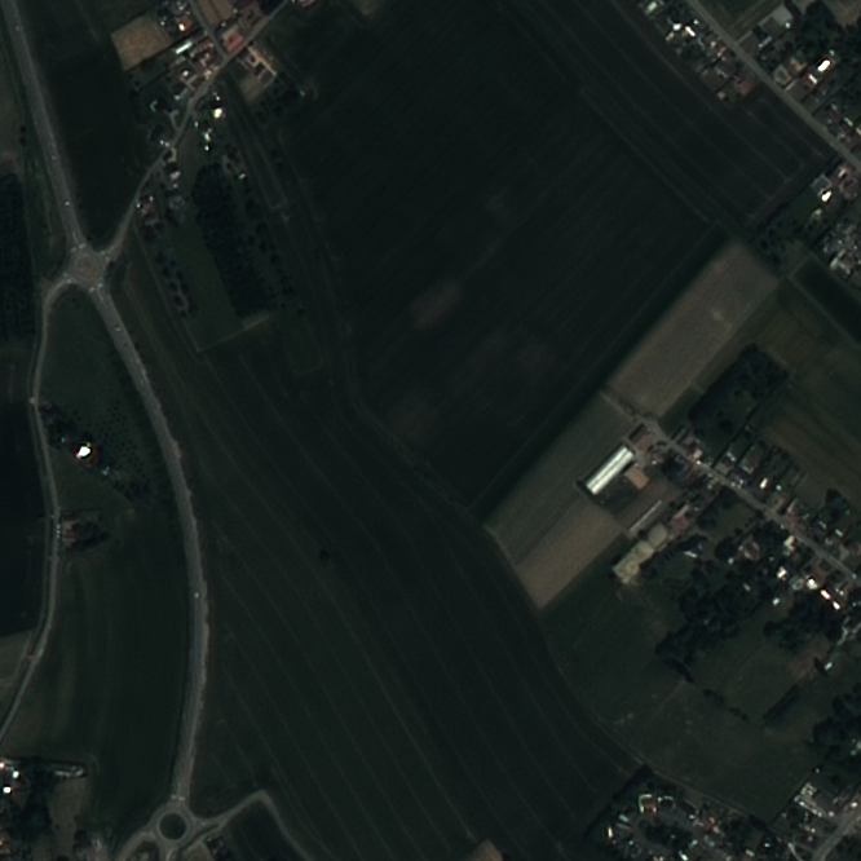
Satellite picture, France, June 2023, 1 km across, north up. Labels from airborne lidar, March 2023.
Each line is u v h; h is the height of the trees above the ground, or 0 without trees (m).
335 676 0
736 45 0
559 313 0
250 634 0
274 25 0
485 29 0
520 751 0
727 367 0
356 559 0
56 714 0
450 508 0
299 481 0
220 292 0
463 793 0
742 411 0
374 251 0
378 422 0
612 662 0
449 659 0
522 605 0
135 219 0
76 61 0
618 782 0
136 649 0
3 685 0
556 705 0
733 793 0
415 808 0
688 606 16
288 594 0
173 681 0
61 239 0
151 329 0
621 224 0
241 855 0
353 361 0
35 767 10
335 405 0
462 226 0
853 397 0
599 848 7
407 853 0
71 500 0
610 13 0
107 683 0
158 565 0
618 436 0
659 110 0
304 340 0
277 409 0
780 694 0
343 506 0
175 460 0
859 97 6
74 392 0
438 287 0
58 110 0
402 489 0
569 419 0
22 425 0
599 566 0
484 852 0
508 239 0
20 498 0
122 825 0
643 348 0
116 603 0
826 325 0
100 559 0
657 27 0
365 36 0
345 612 0
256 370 0
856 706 6
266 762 0
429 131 0
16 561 0
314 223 0
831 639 11
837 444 0
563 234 0
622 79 0
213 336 0
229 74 0
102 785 0
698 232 0
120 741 0
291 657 0
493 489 0
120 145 0
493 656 0
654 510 0
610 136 0
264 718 0
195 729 0
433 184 0
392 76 0
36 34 0
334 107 0
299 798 0
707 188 0
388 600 0
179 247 0
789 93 0
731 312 0
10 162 0
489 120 0
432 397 0
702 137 0
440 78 0
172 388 0
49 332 0
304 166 0
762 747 0
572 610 0
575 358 0
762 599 6
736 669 0
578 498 0
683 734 0
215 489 0
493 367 0
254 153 0
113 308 0
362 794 0
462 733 0
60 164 0
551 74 0
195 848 0
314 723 0
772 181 0
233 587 0
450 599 0
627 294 0
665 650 14
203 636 0
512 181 0
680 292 0
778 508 0
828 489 0
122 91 0
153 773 0
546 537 0
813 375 0
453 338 0
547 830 0
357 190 0
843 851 11
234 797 0
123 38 0
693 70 0
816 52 6
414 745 0
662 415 0
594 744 0
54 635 0
